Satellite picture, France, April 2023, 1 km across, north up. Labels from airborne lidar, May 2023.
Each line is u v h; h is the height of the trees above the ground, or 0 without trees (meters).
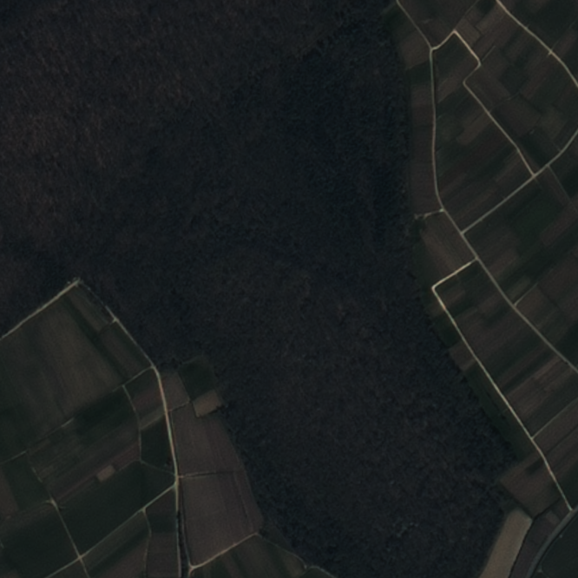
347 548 20
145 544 0
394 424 17
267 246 13
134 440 0
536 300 0
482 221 0
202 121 19
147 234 22
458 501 13
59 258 16
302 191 19
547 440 0
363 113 16
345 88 17
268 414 16
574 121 0
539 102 0
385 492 14
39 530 0
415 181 0
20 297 19
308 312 21
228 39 21
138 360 0
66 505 0
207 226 18
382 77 24
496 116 0
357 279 15
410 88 0
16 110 17
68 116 21
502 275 0
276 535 0
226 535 0
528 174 0
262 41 18
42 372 0
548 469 0
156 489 0
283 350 16
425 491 18
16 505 0
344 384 12
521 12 0
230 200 20
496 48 0
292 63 16
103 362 0
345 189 17
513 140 0
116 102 21
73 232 22
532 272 0
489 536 18
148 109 23
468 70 0
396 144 18
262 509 8
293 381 15
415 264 0
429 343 19
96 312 0
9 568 0
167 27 24
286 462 14
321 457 17
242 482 0
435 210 0
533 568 0
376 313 23
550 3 0
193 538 0
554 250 0
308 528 16
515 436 0
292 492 18
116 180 17
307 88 13
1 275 21
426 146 0
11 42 16
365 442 12
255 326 18
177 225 17
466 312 0
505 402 0
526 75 0
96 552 0
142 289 22
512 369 0
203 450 0
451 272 0
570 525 0
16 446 0
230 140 19
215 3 21
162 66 23
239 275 21
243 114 14
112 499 0
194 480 0
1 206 19
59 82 15
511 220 0
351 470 16
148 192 15
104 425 0
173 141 23
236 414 21
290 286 19
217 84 20
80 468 0
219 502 0
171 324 23
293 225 18
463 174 0
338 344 16
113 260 19
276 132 16
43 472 0
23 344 0
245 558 0
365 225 13
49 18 15
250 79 12
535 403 0
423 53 0
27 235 20
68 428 0
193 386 0
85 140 22
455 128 0
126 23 18
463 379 17
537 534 0
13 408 0
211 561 0
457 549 18
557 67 0
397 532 14
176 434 0
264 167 19
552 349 0
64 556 0
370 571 18
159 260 19
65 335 0
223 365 15
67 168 21
